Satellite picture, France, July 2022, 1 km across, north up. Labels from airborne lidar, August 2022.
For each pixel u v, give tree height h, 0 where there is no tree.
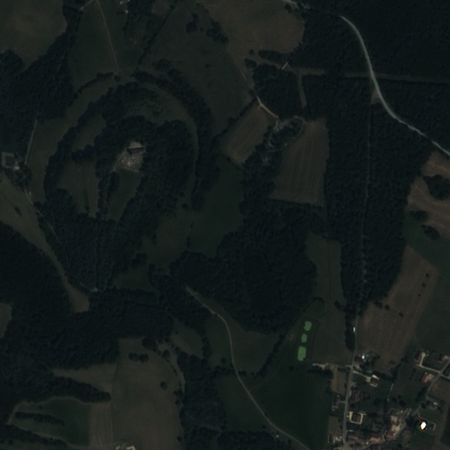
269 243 25
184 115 0
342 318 0
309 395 0
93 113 23
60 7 0
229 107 0
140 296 23
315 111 17
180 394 14
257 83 11
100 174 15
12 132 6
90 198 0
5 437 15
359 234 20
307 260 17
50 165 7
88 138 0
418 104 16
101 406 0
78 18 12
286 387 0
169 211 19
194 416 23
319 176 0
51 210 21
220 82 0
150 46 7
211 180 22
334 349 0
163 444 0
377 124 16
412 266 0
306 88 16
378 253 23
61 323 17
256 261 9
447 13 15
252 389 0
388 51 12
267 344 0
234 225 0
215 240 0
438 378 0
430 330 0
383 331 0
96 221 18
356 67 14
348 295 19
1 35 0
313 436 0
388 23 12
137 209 21
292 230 15
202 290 20
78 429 0
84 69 0
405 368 0
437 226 0
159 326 15
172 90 8
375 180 18
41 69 16
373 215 19
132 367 0
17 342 25
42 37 0
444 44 18
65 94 23
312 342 0
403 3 12
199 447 23
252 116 0
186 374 13
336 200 15
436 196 8
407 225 0
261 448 25
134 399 0
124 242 24
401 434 0
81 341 16
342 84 20
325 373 14
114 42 0
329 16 20
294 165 0
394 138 21
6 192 0
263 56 14
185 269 21
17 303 21
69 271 18
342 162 18
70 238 29
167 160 14
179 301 11
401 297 0
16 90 20
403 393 0
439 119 19
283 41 0
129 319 15
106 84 0
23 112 17
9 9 0
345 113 23
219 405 14
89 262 18
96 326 12
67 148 22
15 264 15
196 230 0
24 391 22
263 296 9
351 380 0
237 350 0
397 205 21
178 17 0
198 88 0
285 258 25
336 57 22
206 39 0
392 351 0
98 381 0
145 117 11
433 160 0
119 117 13
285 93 17
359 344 0
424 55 11
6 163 0
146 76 19
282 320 25
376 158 17
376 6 12
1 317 0
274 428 0
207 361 13
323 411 0
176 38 0
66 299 19
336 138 19
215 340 0
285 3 0
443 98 19
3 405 12
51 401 0
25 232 0
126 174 0
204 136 25
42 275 17
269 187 20
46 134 0
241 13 0
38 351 22
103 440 0
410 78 0
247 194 17
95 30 0
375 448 0
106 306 22
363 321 0
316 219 22
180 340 0
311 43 14
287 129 18
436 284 0
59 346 20
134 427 0
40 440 13
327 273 0
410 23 17
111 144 23
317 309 0
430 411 0
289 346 0
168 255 0
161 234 0
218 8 0
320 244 0
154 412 0
